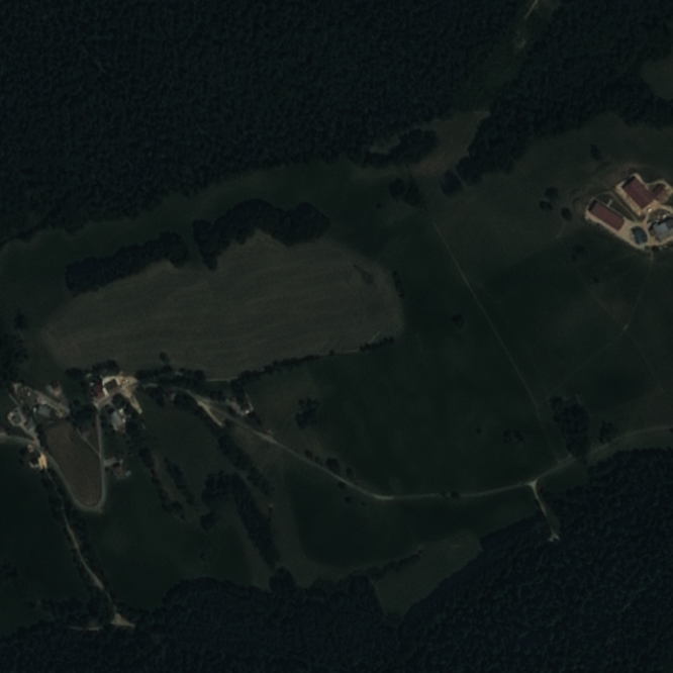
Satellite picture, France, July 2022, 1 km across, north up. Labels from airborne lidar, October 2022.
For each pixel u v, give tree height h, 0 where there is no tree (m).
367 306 0
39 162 19
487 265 0
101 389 0
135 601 0
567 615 13
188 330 0
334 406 0
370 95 18
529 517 0
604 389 0
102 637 8
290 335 0
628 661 26
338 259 0
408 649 31
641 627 29
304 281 0
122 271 16
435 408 0
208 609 34
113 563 0
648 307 0
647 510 24
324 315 0
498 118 23
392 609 0
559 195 19
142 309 0
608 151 0
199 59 16
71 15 10
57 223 21
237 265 0
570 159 0
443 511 0
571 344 0
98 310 0
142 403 0
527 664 26
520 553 20
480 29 14
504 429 0
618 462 21
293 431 0
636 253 0
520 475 0
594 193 0
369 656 25
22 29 16
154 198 24
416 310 0
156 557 0
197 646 27
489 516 0
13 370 13
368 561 0
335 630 28
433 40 14
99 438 0
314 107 16
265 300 0
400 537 0
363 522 0
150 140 17
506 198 0
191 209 0
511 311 0
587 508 23
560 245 0
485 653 30
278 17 20
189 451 0
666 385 0
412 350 0
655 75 0
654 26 29
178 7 23
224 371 0
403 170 0
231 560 0
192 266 0
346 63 17
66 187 15
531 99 25
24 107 20
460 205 0
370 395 0
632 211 0
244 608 29
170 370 14
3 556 0
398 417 0
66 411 0
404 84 17
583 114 24
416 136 18
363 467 0
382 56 15
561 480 0
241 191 0
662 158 0
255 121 20
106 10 13
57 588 0
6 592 0
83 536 14
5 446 0
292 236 25
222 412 0
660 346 0
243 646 31
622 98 26
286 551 0
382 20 7
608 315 0
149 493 0
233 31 15
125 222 0
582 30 19
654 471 19
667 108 26
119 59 20
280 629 14
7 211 15
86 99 17
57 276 0
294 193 0
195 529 0
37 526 0
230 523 0
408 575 0
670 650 11
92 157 16
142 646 25
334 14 15
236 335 0
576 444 24
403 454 0
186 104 19
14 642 9
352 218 0
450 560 0
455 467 0
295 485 0
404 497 0
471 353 0
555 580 18
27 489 0
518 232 0
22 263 0
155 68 12
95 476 0
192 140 20
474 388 0
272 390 0
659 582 19
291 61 17
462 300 0
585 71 24
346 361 0
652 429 0
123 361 0
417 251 0
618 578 10
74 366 0
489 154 27
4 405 0
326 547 0
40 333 0
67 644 29
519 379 0
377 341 0
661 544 25
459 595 28
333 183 0
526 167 0
